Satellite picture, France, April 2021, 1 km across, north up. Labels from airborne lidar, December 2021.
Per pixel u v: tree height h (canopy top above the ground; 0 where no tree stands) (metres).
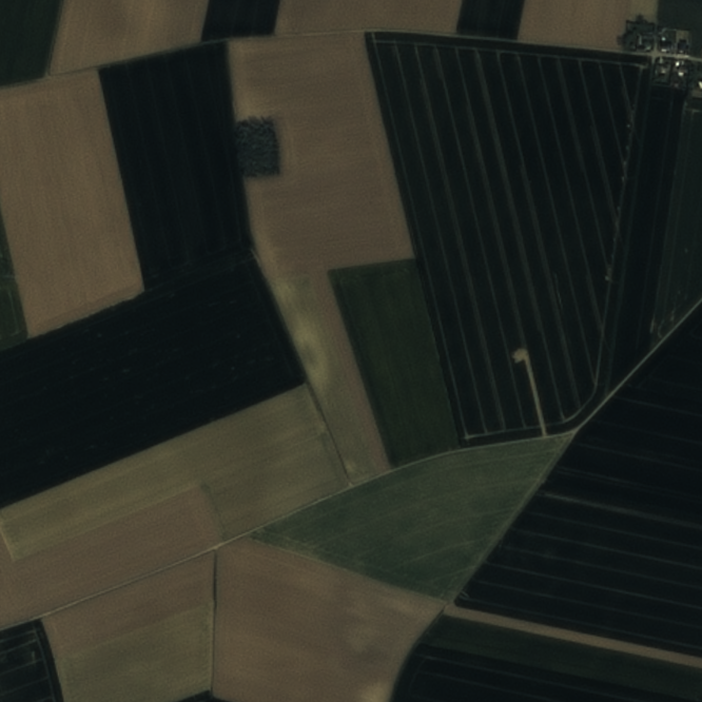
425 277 0
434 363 0
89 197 0
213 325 0
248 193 0
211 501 0
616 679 0
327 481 0
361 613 0
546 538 0
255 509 0
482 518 0
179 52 0
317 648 0
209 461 0
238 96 0
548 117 0
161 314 0
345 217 0
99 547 0
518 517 0
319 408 0
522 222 0
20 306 0
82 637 0
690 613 0
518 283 0
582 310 0
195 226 0
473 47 0
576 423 0
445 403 0
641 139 0
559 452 0
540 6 0
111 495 0
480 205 0
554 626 0
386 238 0
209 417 0
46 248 0
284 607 0
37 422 0
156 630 0
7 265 0
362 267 0
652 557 0
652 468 0
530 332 0
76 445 0
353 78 0
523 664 0
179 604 0
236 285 0
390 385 0
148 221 0
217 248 0
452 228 0
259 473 0
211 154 0
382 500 0
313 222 0
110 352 0
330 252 0
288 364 0
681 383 0
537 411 0
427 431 0
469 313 0
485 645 0
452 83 0
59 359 0
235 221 0
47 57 0
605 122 0
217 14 0
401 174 0
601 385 0
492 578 0
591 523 0
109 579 0
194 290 0
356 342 0
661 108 0
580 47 0
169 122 0
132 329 0
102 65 0
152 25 0
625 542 0
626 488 0
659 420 0
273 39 0
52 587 0
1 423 0
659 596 0
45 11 0
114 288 0
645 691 0
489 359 0
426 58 0
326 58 0
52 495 0
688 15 0
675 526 0
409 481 0
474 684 0
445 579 0
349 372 0
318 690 0
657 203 0
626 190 0
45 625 0
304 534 0
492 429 0
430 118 0
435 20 0
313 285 0
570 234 0
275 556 0
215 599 0
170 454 0
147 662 0
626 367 0
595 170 0
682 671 0
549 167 0
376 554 0
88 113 0
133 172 0
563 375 0
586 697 0
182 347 0
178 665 0
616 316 0
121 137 0
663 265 0
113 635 0
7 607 0
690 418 0
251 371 0
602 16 0
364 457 0
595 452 0
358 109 0
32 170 0
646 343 0
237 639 0
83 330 0
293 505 0
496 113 0
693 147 0
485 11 0
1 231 0
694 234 0
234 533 0
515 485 0
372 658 0
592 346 0
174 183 0
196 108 0
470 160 0
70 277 0
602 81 0
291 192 0
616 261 0
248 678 0
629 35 8
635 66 0
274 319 0
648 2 0
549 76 0
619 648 0
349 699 0
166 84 0
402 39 0
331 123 0
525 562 0
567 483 0
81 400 0
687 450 0
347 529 0
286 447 0
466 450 0
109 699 0
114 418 0
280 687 0
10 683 0
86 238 0
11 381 0
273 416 0
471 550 0
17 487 0
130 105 0
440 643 0
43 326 0
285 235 0
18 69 0
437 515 0
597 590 0
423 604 0
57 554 0
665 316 0
